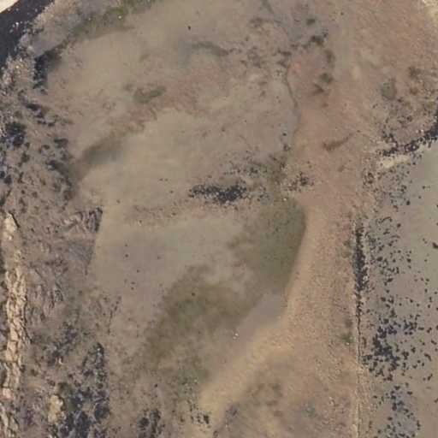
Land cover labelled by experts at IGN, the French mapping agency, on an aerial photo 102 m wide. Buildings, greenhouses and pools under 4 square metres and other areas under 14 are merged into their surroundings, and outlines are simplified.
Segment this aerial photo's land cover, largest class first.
<instances>
[{"label":"bare soil","instance_id":"1","mask_svg":"<svg viewBox=\"0 0 438 438\"><path fill-rule=\"evenodd\" d=\"M0 438H438V0H0Z\"/></svg>","mask_w":438,"mask_h":438}]
</instances>
